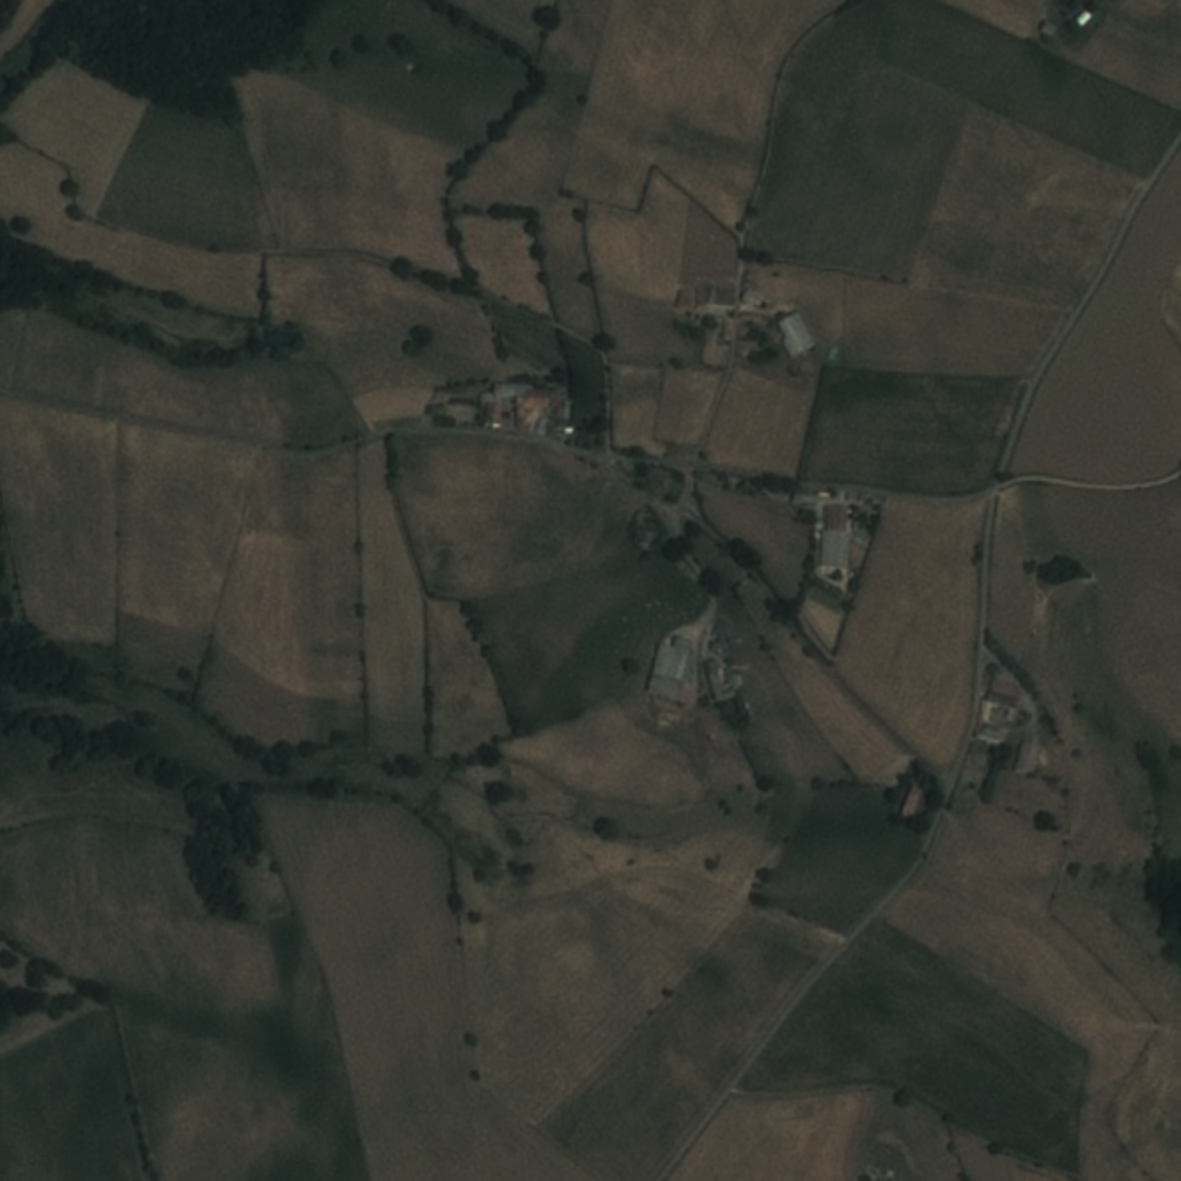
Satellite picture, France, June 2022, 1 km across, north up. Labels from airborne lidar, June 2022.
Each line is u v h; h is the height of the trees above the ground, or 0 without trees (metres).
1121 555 0
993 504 0
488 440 0
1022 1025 0
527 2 0
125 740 22
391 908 0
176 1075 0
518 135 0
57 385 0
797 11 0
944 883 0
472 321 0
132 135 0
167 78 17
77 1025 0
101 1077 0
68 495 0
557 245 0
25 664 22
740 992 0
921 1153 0
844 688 0
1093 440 0
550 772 0
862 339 0
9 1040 0
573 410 7
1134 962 0
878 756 0
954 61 0
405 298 0
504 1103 0
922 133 0
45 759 0
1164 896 18
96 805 0
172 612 0
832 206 0
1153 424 0
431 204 0
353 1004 0
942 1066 0
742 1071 0
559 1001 0
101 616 0
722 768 0
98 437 0
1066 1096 0
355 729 0
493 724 0
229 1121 0
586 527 0
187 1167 0
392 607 0
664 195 0
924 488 0
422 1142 0
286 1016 0
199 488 0
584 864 0
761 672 0
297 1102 0
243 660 0
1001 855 0
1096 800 0
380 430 0
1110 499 0
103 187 0
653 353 0
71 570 0
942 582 0
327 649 0
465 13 11
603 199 0
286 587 0
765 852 0
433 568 0
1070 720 0
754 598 0
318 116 0
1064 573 7
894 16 0
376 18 0
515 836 0
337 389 0
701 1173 0
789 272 0
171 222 0
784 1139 0
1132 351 0
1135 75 0
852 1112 0
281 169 0
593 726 0
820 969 0
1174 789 0
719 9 0
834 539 0
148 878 0
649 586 0
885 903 0
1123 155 0
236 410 0
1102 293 0
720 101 0
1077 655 0
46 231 0
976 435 0
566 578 0
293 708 0
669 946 0
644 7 0
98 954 0
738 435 0
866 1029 0
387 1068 0
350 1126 0
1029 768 0
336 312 0
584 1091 0
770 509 0
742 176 0
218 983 0
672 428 0
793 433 0
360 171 0
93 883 0
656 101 0
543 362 0
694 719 0
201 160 0
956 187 0
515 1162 0
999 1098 0
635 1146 0
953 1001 0
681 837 0
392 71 0
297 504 0
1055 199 0
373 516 0
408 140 0
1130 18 0
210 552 0
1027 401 0
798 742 0
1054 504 0
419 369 0
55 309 0
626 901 0
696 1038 0
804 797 0
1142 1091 0
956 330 0
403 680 0
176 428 0
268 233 0
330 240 0
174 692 8
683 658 0
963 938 0
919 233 0
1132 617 0
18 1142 0
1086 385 0
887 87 0
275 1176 0
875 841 0
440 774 0
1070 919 0
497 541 0
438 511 0
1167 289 0
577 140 0
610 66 0
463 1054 0
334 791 16
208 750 0
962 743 0
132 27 20
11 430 0
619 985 0
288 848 0
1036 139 0
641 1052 0
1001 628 0
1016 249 0
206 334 0
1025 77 0
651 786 0
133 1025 0
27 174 0
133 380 0
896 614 0
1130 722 0
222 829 20
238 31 15
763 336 7
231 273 0
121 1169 0
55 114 0
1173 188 0
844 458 0
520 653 0
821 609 0
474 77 0
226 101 15
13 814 0
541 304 0
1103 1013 0
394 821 0
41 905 0
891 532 0
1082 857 0
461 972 0
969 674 0
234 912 6
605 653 0
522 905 0
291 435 0
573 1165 0
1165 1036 0
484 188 0
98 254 0
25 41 0
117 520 0
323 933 0
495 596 0
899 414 0
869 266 0
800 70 0
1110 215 0
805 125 0
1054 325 0
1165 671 0
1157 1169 0
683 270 0
